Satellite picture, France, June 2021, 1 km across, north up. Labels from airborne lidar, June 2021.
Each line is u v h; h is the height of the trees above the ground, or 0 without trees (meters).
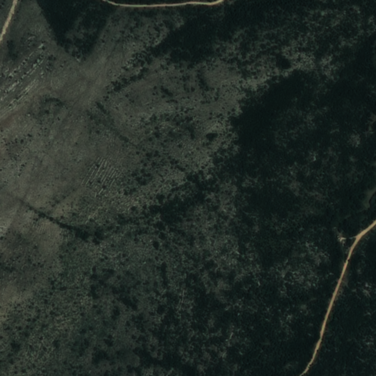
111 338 9
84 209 0
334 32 7
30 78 0
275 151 9
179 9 6
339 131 6
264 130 13
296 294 8
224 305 8
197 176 6
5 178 0
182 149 0
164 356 7
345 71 11
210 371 8
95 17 7
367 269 8
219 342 6
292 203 7
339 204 7
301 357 9
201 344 6
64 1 11
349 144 6
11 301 0
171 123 0
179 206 7
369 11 8
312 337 9
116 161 0
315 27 6
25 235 0
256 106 11
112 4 6
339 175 8
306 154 8
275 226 9
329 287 7
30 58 0
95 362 6
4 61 0
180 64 6
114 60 0
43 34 0
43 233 0
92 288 10
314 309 8
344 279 0
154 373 6
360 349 7
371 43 8
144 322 7
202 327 6
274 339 7
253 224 7
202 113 0
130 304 7
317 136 10
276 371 10
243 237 7
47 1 10
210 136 10
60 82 0
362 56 8
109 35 0
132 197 0
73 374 8
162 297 6
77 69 0
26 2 0
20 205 0
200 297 8
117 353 7
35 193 0
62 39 6
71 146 0
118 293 7
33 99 0
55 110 0
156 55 6
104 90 0
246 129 14
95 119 0
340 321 7
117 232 5
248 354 10
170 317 8
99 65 0
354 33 8
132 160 0
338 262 11
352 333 10
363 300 9
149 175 7
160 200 10
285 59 9
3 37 0
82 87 0
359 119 10
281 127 6
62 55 0
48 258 0
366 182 10
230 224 7
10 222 0
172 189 7
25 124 0
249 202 6
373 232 7
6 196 0
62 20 12
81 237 6
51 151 0
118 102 0
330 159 9
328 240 8
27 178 0
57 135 0
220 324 9
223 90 0
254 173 8
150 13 9
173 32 9
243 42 8
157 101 0
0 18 0
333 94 10
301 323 6
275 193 8
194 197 6
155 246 10
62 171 0
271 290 12
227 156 6
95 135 0
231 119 7
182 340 7
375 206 11
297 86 9
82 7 8
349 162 7
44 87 0
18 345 6
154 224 8
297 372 7
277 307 6
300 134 7
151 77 0
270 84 8
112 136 0
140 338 8
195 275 8
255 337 7
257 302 7
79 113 0
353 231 10
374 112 8
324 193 7
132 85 0
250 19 7
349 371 8
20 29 0
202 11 8
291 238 9
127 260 7
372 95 8
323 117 8
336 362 9
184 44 10
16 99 0
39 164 0
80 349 6
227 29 7
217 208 7
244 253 6
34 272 0
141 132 0
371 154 6
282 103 11
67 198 0
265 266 8
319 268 8
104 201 0
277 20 8
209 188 6
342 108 6
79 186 0
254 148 9
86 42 5
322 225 7
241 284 9
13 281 0
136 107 0
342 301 7
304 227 11
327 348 10
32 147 0
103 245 0
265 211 7
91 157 0
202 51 10
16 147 0
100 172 0
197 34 8
